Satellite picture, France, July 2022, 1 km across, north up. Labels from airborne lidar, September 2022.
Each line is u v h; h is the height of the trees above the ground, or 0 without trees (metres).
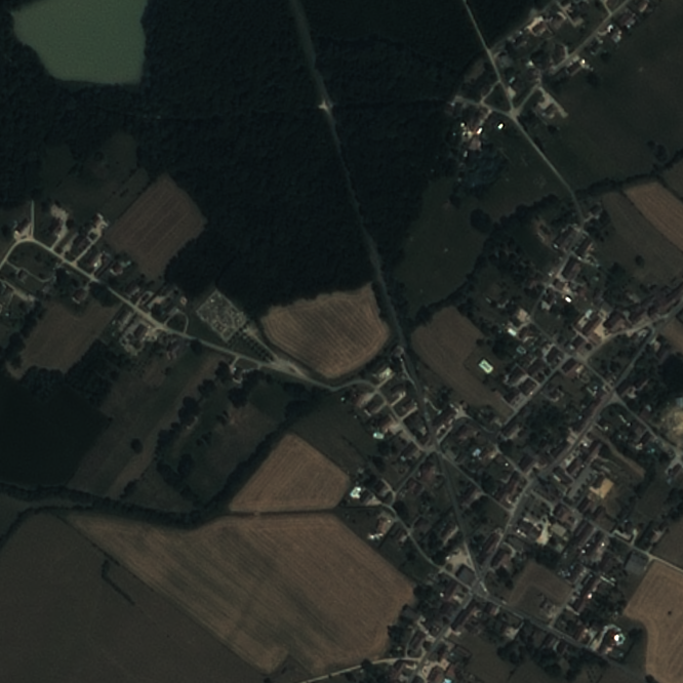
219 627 0
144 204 0
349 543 0
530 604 0
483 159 13
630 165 0
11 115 16
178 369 0
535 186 0
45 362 0
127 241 0
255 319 15
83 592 0
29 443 0
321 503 0
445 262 0
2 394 0
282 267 25
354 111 17
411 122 27
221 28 29
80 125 24
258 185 28
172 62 22
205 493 0
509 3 10
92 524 0
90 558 0
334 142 14
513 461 0
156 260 0
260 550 0
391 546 0
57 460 0
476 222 21
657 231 0
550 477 7
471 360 0
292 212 23
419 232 0
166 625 0
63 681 0
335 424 0
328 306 0
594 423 0
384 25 6
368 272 20
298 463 0
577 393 0
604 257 0
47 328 0
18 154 18
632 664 0
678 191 0
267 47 24
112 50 0
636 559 0
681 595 0
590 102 0
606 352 0
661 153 19
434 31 6
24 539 0
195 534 0
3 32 19
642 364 7
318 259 25
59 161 0
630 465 0
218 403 0
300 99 22
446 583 8
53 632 0
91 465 0
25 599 0
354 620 0
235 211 27
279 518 0
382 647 0
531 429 6
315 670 0
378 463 17
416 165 29
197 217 0
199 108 29
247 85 26
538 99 0
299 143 19
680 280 0
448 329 0
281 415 0
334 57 17
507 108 0
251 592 0
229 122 22
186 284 13
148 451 0
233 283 20
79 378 11
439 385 0
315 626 0
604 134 0
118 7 0
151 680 0
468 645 0
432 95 9
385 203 23
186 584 0
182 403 0
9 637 0
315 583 0
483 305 0
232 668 0
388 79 26
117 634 0
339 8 6
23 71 18
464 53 7
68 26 0
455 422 0
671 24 0
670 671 0
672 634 0
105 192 0
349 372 0
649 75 0
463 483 8
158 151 19
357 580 0
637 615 0
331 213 27
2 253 0
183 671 0
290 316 0
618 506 0
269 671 0
